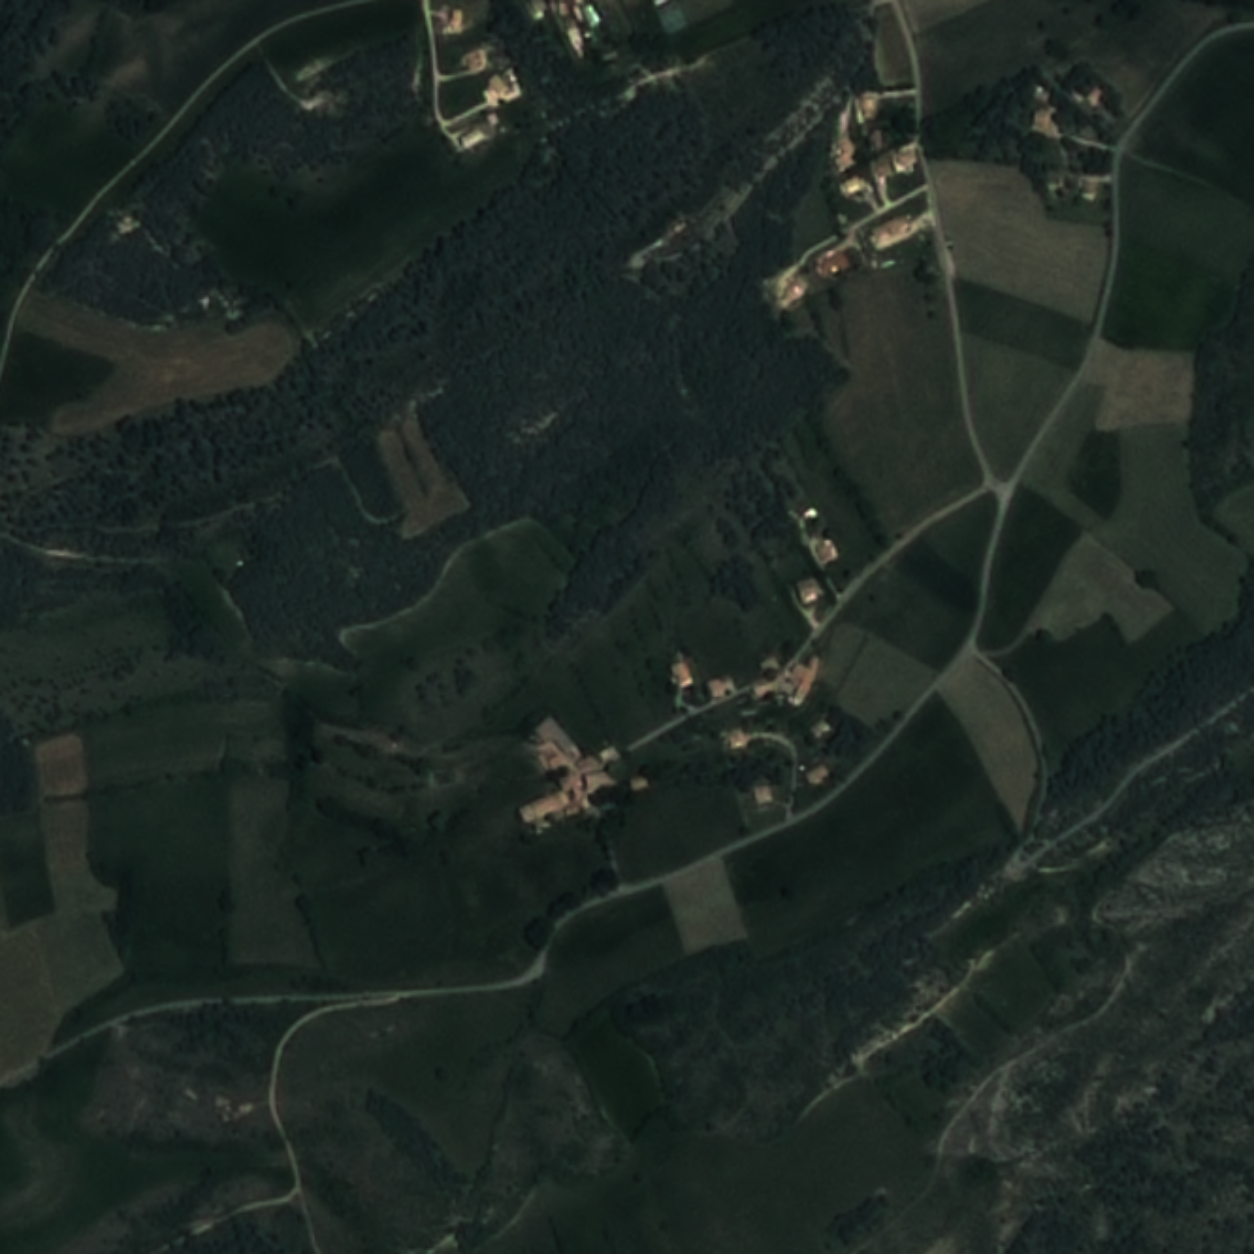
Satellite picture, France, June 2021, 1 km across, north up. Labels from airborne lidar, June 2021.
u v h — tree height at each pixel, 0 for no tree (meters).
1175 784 7
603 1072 0
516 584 0
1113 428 0
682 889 0
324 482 10
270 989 0
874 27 7
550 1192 0
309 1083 0
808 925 0
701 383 7
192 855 0
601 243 10
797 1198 0
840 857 0
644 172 12
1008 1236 0
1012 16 0
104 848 0
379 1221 0
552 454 8
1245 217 0
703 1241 0
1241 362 0
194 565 0
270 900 0
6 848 0
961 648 0
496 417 7
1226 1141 0
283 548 9
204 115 8
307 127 7
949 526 0
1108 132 10
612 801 13
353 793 0
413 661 7
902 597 0
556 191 8
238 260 0
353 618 8
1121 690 0
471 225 10
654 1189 0
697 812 0
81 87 11
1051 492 0
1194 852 0
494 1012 0
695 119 9
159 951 0
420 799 0
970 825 0
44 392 0
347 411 9
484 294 11
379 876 0
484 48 0
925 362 0
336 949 0
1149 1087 0
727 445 9
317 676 0
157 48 0
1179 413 0
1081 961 8
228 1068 0
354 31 0
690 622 0
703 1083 0
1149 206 0
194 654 8
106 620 0
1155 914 0
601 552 8
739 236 7
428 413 8
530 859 0
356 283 0
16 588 7
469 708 0
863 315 0
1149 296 0
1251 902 0
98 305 7
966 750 0
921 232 0
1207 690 9
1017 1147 0
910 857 0
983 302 0
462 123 0
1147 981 0
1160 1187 6
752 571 6
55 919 0
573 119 7
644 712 0
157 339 0
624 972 0
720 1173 0
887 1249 0
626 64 0
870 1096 0
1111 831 8
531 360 7
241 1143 0
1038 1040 0
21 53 11
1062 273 0
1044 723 0
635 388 8
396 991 0
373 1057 0
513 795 0
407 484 0
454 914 0
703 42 0
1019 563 0
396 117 10
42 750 0
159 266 8
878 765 0
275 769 7
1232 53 0
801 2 0
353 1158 0
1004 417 0
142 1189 0
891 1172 0
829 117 7
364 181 0
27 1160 0
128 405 0
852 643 0
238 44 0
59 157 0
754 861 0
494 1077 0
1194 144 0
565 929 0
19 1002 0
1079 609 0
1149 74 0
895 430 0
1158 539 0
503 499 7
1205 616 0
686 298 9
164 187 9
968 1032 0
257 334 0
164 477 13
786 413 9
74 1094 0
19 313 0
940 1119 7
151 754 0
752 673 0
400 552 7
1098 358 0
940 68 0
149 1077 0
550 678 0
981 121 8
